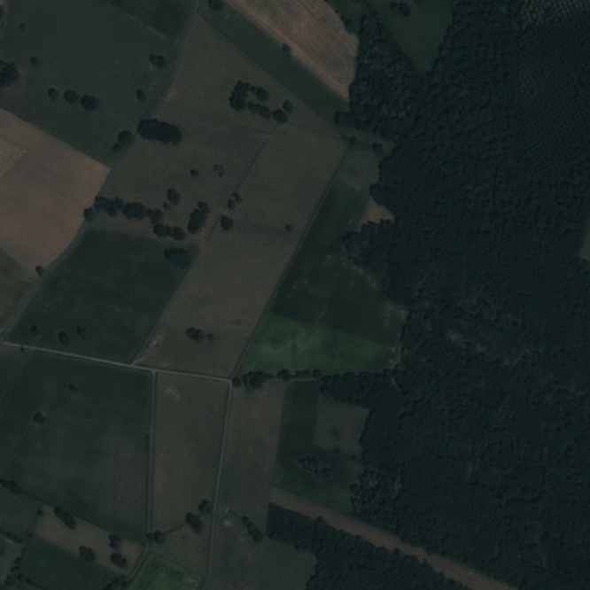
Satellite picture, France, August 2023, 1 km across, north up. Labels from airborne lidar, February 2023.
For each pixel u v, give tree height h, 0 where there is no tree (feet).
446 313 82
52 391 0
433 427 73
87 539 0
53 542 0
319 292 0
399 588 67
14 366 0
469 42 78
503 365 56
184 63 0
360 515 29
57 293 0
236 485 0
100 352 0
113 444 0
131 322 0
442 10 0
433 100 33
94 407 0
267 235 0
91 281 0
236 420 0
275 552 0
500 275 46
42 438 0
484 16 62
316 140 0
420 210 81
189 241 0
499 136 68
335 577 59
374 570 47
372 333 0
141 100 52
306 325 0
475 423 63
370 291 0
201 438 0
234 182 0
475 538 80
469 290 51
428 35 0
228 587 0
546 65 91
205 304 0
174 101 0
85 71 0
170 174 0
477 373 52
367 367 0
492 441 62
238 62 0
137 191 0
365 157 0
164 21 0
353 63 0
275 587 0
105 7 0
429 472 75
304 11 0
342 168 0
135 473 0
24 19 0
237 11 0
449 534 62
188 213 0
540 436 59
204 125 0
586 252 0
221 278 0
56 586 0
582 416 73
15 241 0
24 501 0
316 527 29
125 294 0
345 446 0
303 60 0
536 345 55
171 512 0
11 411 0
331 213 0
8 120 0
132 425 0
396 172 75
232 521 0
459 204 63
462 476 73
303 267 0
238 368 0
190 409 0
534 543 77
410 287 70
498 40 33
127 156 0
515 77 43
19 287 0
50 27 0
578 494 55
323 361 0
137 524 0
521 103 47
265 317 0
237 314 0
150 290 0
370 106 66
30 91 0
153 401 0
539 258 62
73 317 0
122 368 0
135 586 0
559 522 68
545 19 75
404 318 0
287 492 0
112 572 0
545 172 88
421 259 76
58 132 0
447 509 73
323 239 0
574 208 69
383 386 72
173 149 0
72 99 60
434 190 78
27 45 0
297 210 0
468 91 58
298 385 0
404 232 78
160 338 0
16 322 0
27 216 0
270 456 0
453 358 65
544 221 77
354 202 0
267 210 0
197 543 0
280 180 0
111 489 0
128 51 0
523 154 36
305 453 0
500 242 78
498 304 77
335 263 0
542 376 41
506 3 52
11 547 0
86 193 0
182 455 0
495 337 61
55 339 0
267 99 65
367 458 47
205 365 0
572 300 68
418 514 71
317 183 0
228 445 0
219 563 0
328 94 0
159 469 0
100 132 0
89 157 0
